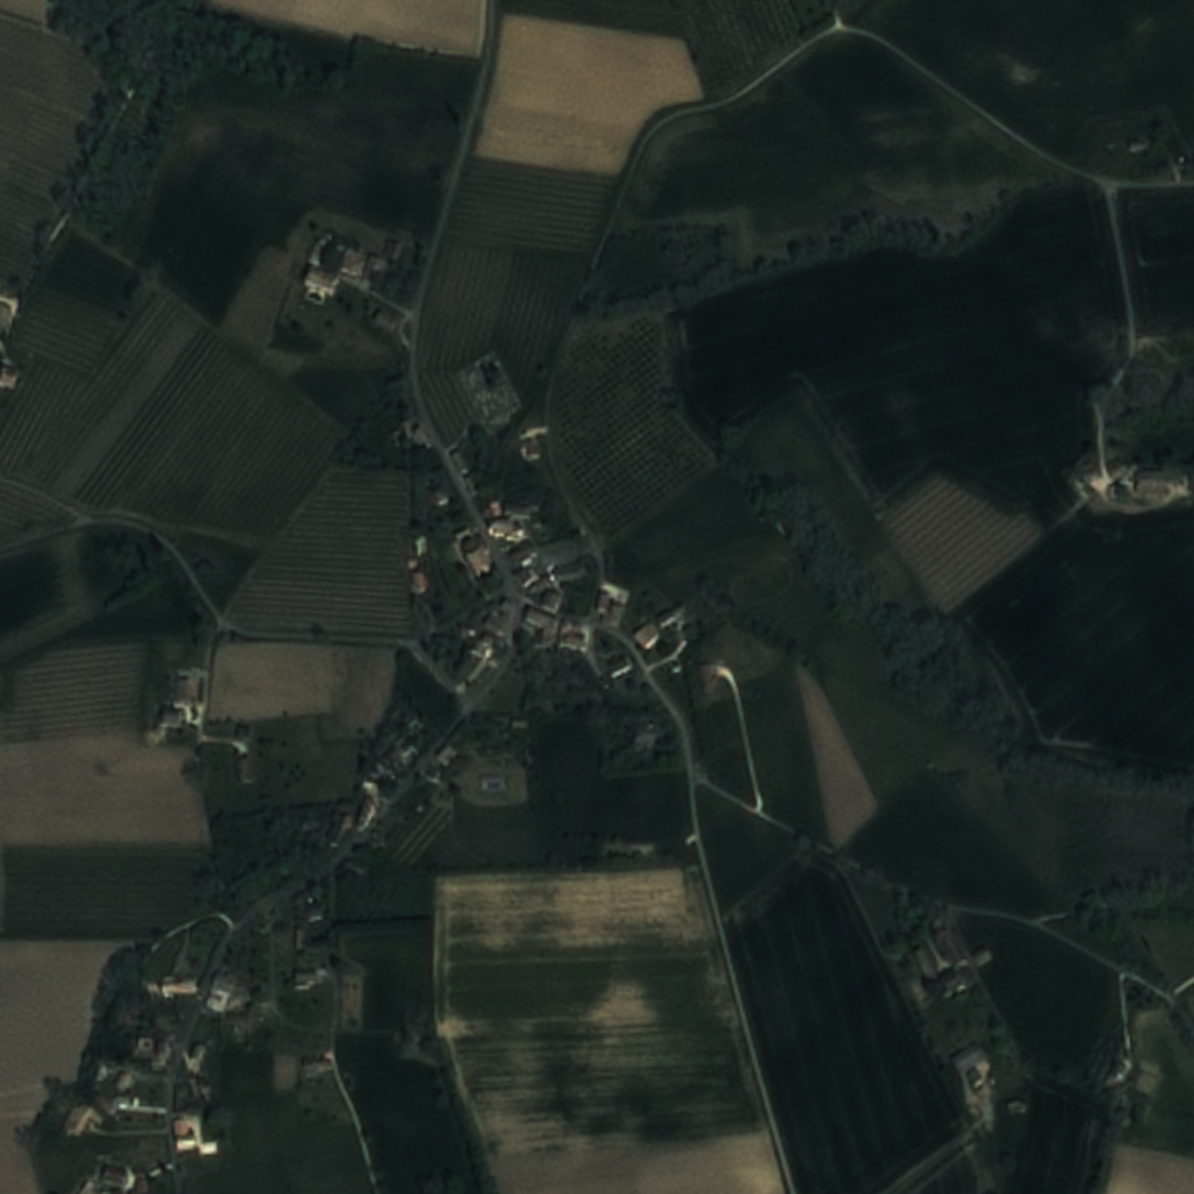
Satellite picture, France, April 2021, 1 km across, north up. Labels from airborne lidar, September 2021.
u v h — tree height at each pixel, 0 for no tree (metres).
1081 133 0
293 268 0
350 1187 0
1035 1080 0
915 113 0
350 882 16
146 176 20
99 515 0
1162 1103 0
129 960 14
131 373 0
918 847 0
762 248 0
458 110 0
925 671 16
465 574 10
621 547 0
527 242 0
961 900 0
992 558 0
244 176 0
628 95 0
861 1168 0
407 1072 0
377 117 0
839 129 0
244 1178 0
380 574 0
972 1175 0
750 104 0
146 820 0
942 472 0
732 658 0
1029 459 0
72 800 0
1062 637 0
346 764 0
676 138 0
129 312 7
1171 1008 10
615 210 0
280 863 12
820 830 0
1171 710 0
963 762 0
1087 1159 0
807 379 0
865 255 13
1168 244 0
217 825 7
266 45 26
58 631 0
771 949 0
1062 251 0
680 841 0
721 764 0
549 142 0
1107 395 21
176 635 0
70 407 0
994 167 0
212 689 0
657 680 0
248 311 0
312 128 0
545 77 0
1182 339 0
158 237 0
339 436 0
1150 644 0
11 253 0
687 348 0
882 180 0
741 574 0
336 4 0
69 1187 0
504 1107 0
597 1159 0
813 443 0
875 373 0
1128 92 0
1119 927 14
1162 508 0
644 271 0
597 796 0
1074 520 0
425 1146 0
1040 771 22
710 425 0
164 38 23
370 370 0
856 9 21
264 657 0
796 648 11
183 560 0
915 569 0
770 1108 0
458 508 6
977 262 0
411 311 11
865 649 0
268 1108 0
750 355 0
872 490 0
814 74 0
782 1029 0
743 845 0
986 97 0
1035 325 0
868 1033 0
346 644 0
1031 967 0
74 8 23
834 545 22
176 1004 9
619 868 12
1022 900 0
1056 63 0
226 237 0
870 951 0
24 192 0
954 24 0
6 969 0
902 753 0
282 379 0
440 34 0
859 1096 0
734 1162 0
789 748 0
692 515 0
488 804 0
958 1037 15
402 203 0
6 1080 0
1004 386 0
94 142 18
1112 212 0
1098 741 0
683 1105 0
